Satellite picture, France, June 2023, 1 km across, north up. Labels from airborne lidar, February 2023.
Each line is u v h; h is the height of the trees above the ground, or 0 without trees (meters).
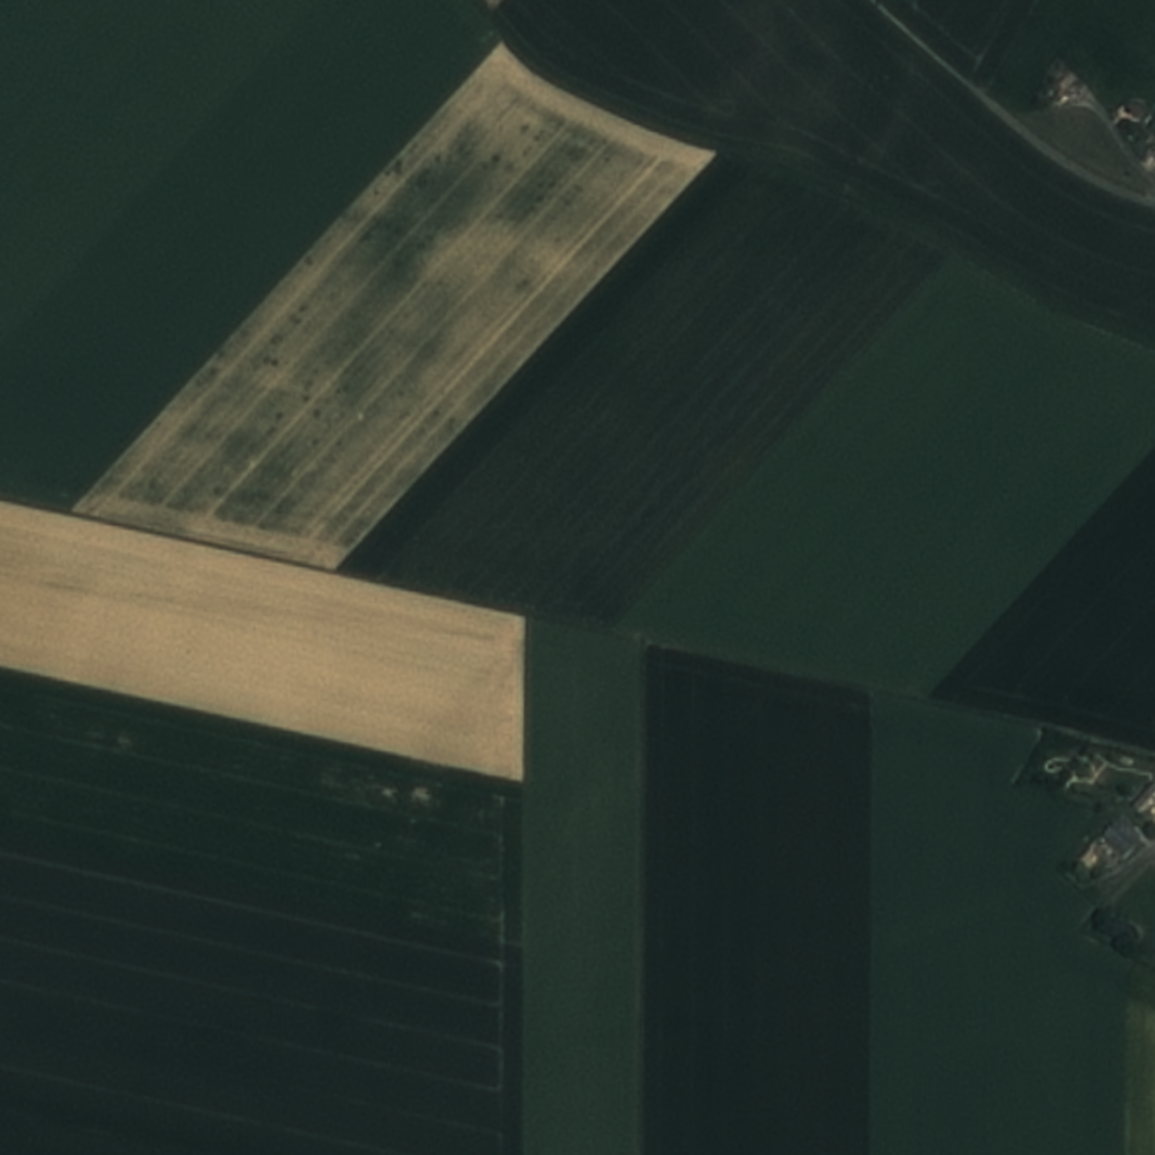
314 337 0
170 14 0
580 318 0
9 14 0
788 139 0
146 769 0
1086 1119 0
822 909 0
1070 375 0
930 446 0
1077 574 0
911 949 0
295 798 0
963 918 0
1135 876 0
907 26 0
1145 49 0
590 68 0
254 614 0
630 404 0
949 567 0
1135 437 0
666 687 0
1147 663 0
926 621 0
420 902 0
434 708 0
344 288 0
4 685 0
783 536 0
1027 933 0
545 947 0
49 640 0
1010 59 0
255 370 0
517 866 0
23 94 0
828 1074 0
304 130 0
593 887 0
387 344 0
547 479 0
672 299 0
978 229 0
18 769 0
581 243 0
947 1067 0
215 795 0
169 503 0
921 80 0
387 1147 0
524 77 0
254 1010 0
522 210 0
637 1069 0
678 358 0
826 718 0
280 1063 0
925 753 0
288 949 0
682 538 0
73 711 0
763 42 0
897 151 0
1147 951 0
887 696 0
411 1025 0
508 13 0
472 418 0
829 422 0
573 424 0
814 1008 0
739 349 0
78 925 0
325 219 0
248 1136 0
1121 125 7
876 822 0
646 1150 0
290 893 0
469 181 0
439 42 0
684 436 0
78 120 0
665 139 0
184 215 0
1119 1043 0
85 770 0
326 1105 0
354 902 0
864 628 0
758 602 0
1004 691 0
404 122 0
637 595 0
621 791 0
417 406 0
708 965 0
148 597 0
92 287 0
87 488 0
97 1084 0
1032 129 0
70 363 0
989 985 0
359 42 0
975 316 0
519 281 0
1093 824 0
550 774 0
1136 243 0
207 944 0
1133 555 0
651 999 0
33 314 0
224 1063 0
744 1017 0
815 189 0
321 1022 0
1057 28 0
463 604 0
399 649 0
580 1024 0
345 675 0
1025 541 0
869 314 0
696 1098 0
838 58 0
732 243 0
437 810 0
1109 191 0
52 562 0
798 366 0
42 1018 0
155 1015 0
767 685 0
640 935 0
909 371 0
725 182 0
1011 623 0
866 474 0
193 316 0
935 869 0
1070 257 0
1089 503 0
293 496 0
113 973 0
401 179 0
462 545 0
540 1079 0
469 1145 0
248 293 0
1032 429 0
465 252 0
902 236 0
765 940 0
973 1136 0
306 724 0
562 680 0
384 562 0
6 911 0
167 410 0
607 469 0
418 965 0
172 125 0
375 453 0
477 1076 0
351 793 0
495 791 0
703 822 0
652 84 0
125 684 0
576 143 0
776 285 0
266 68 0
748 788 0
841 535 0
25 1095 0
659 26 0
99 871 0
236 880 0
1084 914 0
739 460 0
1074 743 8
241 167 0
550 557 0
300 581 0
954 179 0
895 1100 0
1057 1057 0
